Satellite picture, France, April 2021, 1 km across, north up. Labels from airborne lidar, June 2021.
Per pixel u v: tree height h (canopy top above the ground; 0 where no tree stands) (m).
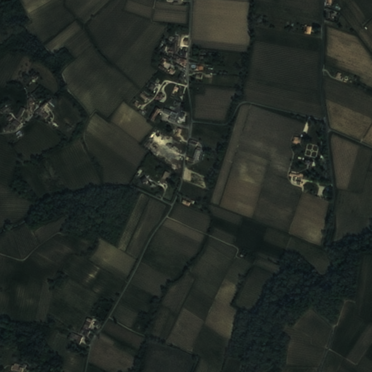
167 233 0
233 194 0
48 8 0
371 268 0
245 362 15
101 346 0
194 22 0
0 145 0
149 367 0
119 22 0
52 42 0
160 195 9
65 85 18
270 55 0
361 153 0
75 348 14
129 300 0
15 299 0
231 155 0
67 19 0
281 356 17
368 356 0
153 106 8
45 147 0
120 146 0
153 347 0
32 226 20
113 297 0
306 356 0
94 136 0
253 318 15
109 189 22
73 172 0
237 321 14
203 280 0
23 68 0
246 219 0
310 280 19
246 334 8
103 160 0
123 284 0
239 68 16
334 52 0
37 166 7
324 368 0
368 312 0
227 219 0
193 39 0
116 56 0
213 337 0
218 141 0
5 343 22
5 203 0
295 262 15
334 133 0
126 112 0
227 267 0
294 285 20
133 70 0
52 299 0
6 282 0
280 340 16
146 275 0
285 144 0
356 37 0
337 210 0
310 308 16
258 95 0
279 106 0
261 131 0
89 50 0
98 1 0
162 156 0
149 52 0
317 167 14
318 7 0
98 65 0
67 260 0
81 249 0
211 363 0
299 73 0
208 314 0
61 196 14
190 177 0
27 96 11
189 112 0
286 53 0
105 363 0
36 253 0
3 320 21
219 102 0
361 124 0
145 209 0
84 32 0
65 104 0
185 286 0
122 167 0
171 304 0
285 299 16
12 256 0
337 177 0
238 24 0
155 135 0
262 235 0
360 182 0
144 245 0
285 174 0
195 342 0
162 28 0
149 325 11
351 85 0
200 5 0
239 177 0
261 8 0
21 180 15
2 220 0
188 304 0
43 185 0
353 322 0
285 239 0
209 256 0
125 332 0
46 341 11
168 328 0
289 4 0
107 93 0
